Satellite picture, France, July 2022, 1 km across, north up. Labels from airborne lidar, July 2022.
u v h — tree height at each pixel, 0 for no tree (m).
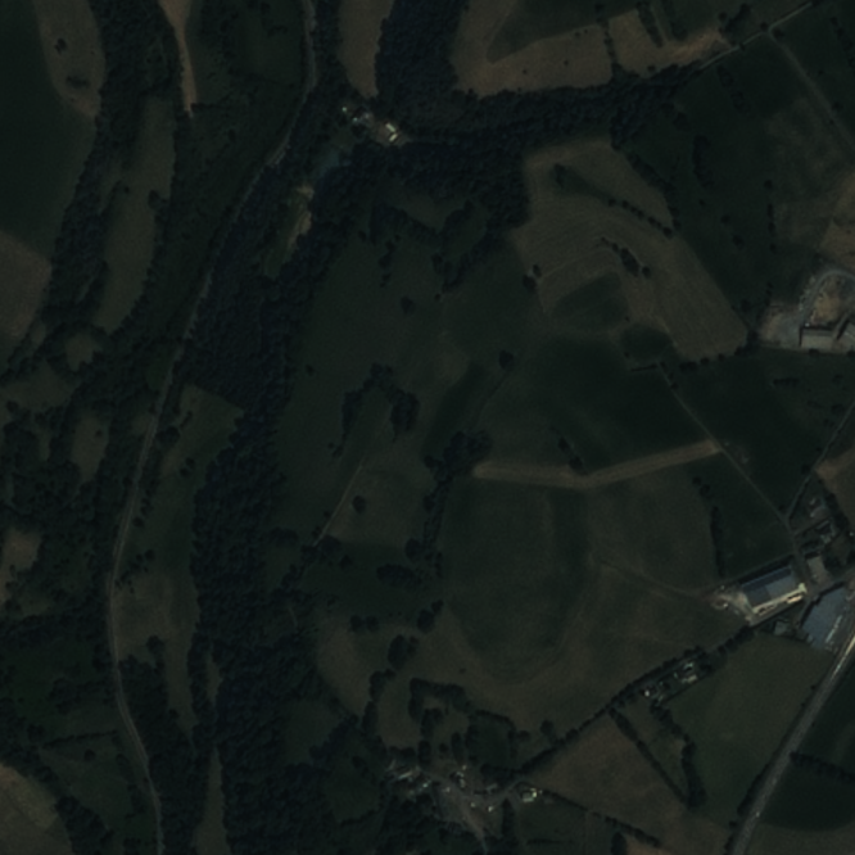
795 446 0
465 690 10
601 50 0
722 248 0
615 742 0
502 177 6
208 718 20
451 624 0
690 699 0
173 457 0
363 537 0
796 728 0
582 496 0
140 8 8
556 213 0
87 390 20
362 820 10
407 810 19
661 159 0
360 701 0
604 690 0
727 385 0
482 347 0
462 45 0
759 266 0
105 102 9
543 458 0
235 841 20
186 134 16
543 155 0
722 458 0
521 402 0
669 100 10
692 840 0
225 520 10
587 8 0
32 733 17
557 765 0
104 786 0
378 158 19
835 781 12
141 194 0
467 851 0
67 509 21
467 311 0
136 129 10
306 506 0
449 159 34
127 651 0
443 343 0
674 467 0
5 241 0
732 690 0
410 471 0
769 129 0
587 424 0
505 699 0
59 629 7
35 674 0
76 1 0
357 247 0
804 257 0
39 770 23
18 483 18
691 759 12
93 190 22
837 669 0
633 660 0
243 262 29
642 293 0
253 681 27
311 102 16
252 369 25
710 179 18
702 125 0
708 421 0
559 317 0
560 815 0
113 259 0
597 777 0
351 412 19
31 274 0
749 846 0
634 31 0
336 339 0
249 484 15
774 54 0
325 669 0
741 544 0
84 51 0
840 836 0
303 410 0
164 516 0
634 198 0
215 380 23
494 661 0
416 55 27
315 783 15
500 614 0
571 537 0
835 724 0
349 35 0
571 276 0
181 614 0
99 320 0
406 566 0
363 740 15
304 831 28
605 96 15
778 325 0
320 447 0
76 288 7
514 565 0
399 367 0
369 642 0
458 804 0
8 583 9
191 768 17
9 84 0
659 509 0
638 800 0
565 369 0
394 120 9
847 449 0
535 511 0
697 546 0
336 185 24
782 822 0
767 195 0
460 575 0
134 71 22
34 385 0
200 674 22
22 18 0
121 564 0
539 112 24
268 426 22
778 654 0
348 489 0
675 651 0
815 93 0
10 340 0
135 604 0
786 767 0
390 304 0
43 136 0
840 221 0
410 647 14
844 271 0
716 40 0
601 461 0
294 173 18
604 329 0
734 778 0
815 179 0
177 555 0
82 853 17
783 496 0
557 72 0
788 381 7
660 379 0
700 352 0
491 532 0
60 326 18
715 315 0
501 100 20
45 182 0
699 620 0
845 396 0
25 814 0
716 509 13
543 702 0
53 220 0
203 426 0
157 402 7
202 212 21
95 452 0
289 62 0
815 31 0
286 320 27
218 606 6
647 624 0
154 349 13
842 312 0
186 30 0
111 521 7
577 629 0
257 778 18
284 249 0
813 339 0
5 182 0
